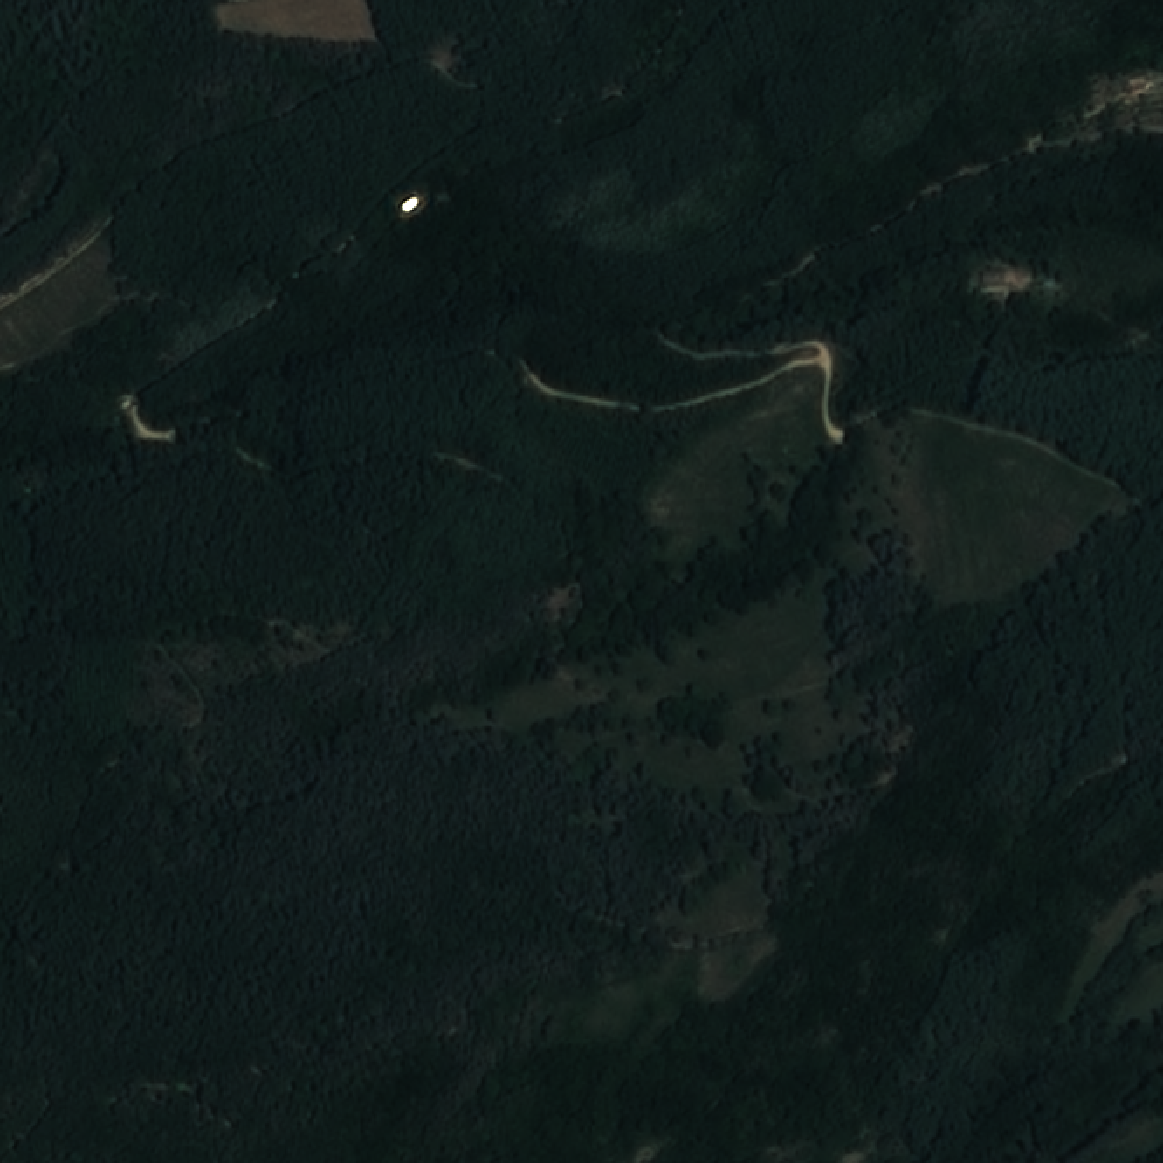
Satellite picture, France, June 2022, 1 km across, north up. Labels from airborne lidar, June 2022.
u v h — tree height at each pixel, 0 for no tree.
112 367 17
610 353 20
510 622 20
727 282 19
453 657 17
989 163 12
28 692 24
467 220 18
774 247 22
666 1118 15
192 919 22
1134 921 12
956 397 9
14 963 18
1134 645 32
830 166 12
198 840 25
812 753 0
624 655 12
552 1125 15
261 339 19
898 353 9
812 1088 15
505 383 19
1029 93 15
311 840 17
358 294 13
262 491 22
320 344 20
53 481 10
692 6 18
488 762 19
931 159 21
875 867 13
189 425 14
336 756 18
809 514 27
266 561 21
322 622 24
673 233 9
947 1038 17
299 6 0
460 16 19
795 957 15
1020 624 23
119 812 25
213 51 22
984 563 0
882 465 0
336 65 14
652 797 22
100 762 20
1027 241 9
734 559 25
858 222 19
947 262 26
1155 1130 0
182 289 19
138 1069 23
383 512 21
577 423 7
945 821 12
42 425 18
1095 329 9
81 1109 16
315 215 20
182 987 20
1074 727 29
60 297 0
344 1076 16
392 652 16
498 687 16
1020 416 27
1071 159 7
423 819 18
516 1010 8
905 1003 10
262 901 23
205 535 18
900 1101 15
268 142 21
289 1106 18
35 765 22
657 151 21
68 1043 18
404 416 25
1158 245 8
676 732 13
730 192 13
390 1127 13
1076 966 14
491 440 24
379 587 16
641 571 21
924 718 13
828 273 24
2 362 0
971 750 14
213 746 16
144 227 19
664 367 8
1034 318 19
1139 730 19
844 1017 15
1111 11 8
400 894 19
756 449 0
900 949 10
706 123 17
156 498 21
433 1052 14
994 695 16
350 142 21
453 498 16
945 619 8
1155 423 29
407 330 30
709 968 0
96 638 15
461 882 23
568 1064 11
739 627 0
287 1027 25
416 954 20
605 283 18
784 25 20
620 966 12
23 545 11
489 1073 8
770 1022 14
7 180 15
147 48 21
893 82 13
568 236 11
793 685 0
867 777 13
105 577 17
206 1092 23
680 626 13
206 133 14
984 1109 29
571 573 13
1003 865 14
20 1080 19
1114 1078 14
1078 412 28
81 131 22
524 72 18
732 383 8
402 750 22
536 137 21
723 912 0
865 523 10
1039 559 0
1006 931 14
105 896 21
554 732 10
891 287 19
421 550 20
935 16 14
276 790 23
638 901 21
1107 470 29
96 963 27
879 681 14
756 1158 8
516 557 17
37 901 25
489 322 23
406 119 22
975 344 7
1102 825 20
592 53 18
